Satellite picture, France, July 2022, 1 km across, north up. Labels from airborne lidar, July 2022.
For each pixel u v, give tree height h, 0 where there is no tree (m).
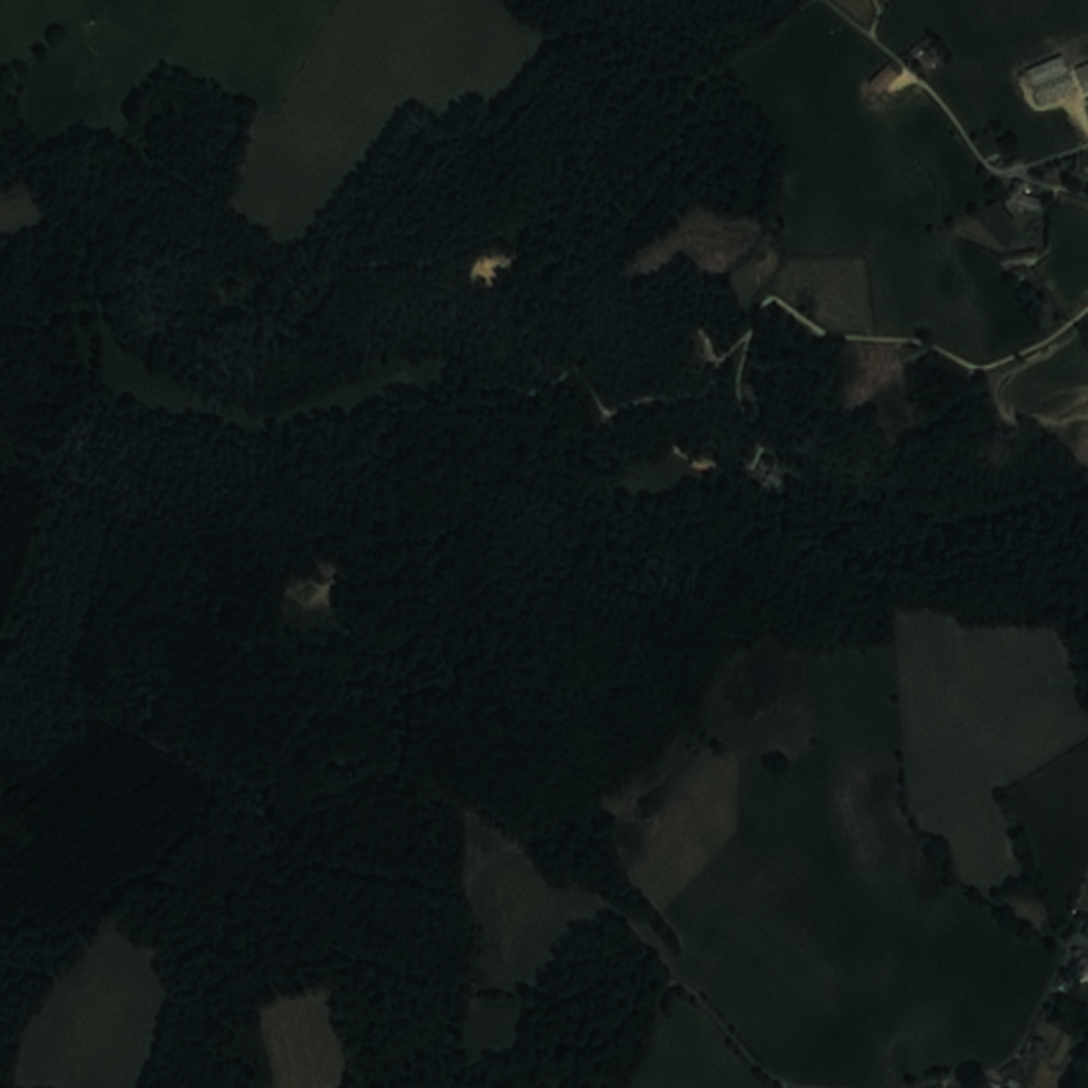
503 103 17
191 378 24
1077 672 16
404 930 19
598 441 13
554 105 18
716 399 14
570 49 22
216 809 24
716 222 0
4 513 10
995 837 0
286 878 20
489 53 0
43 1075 0
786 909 0
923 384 10
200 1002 16
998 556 24
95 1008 0
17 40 0
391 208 26
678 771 0
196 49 0
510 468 16
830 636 18
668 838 0
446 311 15
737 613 20
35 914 8
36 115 0
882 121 0
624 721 18
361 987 13
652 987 18
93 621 22
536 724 21
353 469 15
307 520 17
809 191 0
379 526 19
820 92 0
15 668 22
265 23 0
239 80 0
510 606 20
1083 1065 18
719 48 13
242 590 27
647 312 17
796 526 19
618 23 14
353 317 11
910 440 22
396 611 20
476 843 0
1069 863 0
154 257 11
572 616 12
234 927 22
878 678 0
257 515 14
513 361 12
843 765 0
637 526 23
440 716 25
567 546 22
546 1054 20
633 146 17
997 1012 0
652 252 0
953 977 0
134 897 23
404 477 19
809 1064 0
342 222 16
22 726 23
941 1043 0
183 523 20
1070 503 21
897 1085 0
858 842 0
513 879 0
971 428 12
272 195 0
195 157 10
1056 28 0
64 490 15
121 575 18
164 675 17
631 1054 19
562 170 12
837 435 7
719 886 0
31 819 10
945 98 0
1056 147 0
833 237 0
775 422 22
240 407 6
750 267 0
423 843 10
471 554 23
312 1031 0
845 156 0
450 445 20
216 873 29
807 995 0
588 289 18
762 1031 0
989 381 10
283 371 13
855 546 26
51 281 26
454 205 23
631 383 17
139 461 19
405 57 0
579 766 17
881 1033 0
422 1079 20
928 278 0
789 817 0
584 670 19
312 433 23
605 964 18
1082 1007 6
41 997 16
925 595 22
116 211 18
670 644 17
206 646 27
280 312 12
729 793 0
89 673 24
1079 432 0
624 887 21
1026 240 0
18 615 9
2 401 17
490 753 26
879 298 0
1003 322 0
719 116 15
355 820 9
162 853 10
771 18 18
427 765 27
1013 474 17
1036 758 0
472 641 20
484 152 24
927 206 0
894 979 0
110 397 18
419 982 23
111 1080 0
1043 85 0
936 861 14
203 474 20
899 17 0
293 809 23
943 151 0
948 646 0
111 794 12
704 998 11
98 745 9
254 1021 22
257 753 25
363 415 17
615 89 15
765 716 0
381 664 21
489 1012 0
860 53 0
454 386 21
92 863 11
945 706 0
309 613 0
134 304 6
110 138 19
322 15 0
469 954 24
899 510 18
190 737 24
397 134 23
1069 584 20
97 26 0
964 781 0
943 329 0
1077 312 0
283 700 29
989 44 0
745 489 19
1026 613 15
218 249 16
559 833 8
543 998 16
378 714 29
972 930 0
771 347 12
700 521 20
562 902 0
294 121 0
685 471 0
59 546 12
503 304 10
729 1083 0
